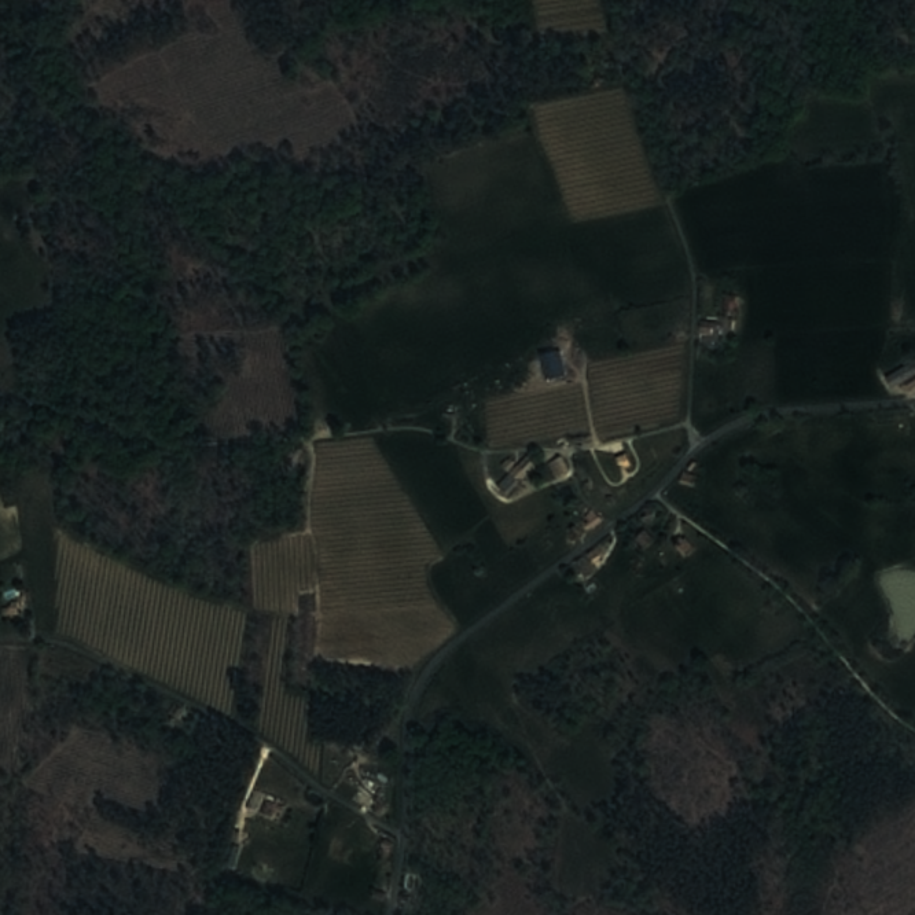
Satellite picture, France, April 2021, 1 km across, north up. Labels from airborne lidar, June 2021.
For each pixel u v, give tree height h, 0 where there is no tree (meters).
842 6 26
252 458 17
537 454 11
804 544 0
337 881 0
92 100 12
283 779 0
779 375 0
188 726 8
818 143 0
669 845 20
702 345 10
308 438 20
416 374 0
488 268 0
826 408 0
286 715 0
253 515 16
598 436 0
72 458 16
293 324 19
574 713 21
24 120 17
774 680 12
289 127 0
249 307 7
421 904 16
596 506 0
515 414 0
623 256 0
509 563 0
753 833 21
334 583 0
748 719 0
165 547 20
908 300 0
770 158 18
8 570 0
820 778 21
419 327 0
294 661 11
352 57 12
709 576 0
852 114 0
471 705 0
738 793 19
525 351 0
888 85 0
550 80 26
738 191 0
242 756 21
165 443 23
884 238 0
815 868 12
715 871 19
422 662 0
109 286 17
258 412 0
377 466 0
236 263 20
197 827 21
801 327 0
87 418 20
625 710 13
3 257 0
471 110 19
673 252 0
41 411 15
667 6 25
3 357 0
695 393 0
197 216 24
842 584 15
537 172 0
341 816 0
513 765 24
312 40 25
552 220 0
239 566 7
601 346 0
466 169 0
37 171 9
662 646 0
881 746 14
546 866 8
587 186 0
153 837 12
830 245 0
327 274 17
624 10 19
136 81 0
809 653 8
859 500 0
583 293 0
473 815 14
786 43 22
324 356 0
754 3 25
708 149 12
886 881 0
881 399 0
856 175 0
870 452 0
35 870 18
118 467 17
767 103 21
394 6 20
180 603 0
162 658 0
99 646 0
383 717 18
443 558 0
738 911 22
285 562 0
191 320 0
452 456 0
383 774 0
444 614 0
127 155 28
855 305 0
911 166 0
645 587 0
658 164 11
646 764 15
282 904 23
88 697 16
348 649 0
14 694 0
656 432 0
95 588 0
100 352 24
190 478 25
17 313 0
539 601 0
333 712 19
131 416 20
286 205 24
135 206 27
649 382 0
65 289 15
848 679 10
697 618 0
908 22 14
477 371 0
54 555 0
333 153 11
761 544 0
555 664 6
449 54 11
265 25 25
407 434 0
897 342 8
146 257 19
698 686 15
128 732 18
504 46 24
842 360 0
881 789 23
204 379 15
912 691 0
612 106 0
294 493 20
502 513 0
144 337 22
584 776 0
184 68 0
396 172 24
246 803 7
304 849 0
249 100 0
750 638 0
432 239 22
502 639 0
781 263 0
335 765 0
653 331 0
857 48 21
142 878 6
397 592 0
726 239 0
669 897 24
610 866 0
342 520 0
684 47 6
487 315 0
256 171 15
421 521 0
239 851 0
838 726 20
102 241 9
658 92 18
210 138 0
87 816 9
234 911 22
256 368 0
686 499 0
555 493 8
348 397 0
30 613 8
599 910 0
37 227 17
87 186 21
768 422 13
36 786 0
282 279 17
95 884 17
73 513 16
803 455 0
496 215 0
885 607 0
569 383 0
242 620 0
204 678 0
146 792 0
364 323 0
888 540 0
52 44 21
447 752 13
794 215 0
